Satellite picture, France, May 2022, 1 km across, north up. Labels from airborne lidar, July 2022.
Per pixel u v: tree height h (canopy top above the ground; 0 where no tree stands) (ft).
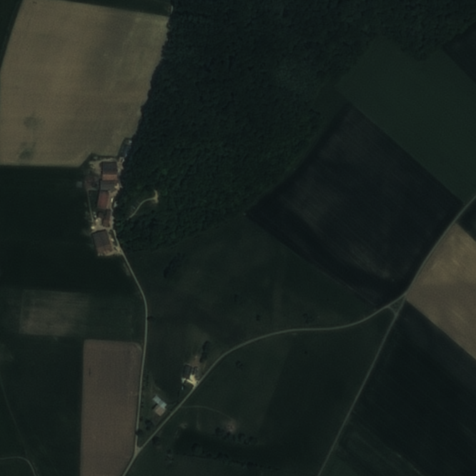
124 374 0
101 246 0
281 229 0
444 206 0
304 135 32
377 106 0
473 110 0
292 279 0
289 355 0
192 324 0
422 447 0
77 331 0
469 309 0
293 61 92
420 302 0
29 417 0
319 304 0
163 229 27
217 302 0
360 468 0
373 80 0
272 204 0
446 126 0
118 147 0
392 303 0
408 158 0
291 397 0
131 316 0
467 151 0
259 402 0
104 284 0
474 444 0
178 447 0
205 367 0
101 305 0
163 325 0
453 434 0
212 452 0
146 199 0
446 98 0
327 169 0
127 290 0
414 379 0
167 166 58
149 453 0
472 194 0
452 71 0
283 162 60
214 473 0
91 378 0
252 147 69
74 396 0
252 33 102
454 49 0
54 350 0
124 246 21
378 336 0
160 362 0
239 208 59
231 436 30
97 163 0
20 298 0
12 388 0
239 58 96
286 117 70
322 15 89
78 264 0
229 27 95
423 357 0
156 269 0
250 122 85
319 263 0
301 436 0
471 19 70
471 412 0
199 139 65
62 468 0
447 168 0
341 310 0
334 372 0
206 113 77
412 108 0
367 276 0
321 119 51
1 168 0
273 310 0
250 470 31
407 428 0
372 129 0
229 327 0
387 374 0
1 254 0
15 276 0
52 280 0
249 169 67
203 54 84
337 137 0
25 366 0
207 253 0
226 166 59
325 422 0
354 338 0
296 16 105
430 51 66
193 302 0
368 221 0
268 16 99
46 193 0
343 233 0
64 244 0
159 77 68
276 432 0
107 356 0
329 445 0
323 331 0
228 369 0
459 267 0
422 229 0
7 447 0
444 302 0
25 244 0
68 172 0
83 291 0
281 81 89
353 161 0
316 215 0
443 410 0
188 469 0
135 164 63
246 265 0
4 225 0
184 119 79
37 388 0
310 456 0
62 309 0
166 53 63
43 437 0
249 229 0
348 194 0
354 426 0
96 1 0
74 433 0
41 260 0
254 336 0
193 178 57
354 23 92
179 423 0
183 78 91
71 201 0
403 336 0
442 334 0
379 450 0
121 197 55
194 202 52
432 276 0
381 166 0
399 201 0
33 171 0
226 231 0
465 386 0
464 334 0
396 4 84
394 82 0
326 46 86
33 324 0
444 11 75
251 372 0
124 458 0
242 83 89
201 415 0
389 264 0
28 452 0
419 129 0
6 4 0
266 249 0
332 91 0
